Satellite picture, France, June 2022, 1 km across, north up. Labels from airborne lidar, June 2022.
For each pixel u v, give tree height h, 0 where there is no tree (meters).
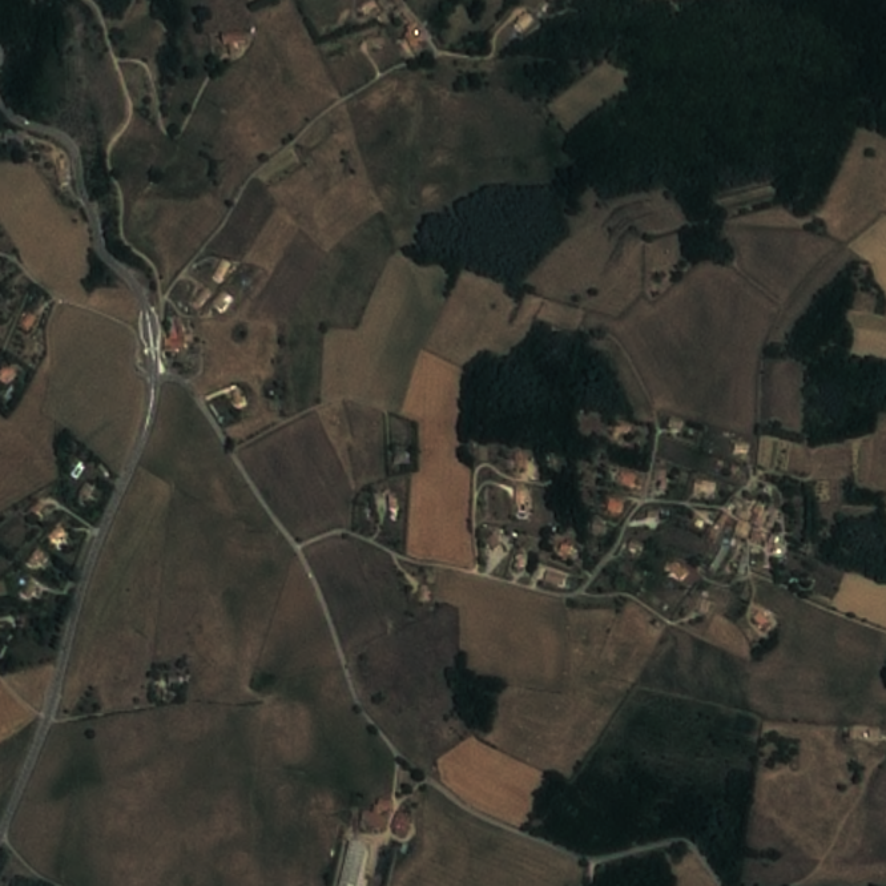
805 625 0
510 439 9
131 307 0
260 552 0
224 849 0
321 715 0
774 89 16
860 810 0
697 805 9
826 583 0
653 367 0
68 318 0
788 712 0
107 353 0
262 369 0
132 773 0
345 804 0
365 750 0
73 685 0
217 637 0
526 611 0
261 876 0
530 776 0
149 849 0
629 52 8
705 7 13
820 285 0
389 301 0
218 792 0
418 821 0
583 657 0
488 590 0
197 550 0
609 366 11
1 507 0
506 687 9
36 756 0
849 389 10
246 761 0
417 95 0
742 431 0
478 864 0
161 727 0
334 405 0
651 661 0
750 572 0
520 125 0
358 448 0
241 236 0
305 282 0
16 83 19
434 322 0
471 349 0
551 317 0
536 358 8
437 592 0
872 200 0
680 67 7
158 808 0
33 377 11
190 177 0
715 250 11
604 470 7
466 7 0
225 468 0
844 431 8
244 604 0
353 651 0
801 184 7
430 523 0
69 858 0
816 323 9
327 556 0
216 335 0
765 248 0
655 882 8
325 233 0
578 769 8
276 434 0
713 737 10
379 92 0
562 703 0
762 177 11
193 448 0
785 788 0
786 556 0
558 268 0
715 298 0
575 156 9
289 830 0
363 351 0
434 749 0
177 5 16
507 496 0
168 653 0
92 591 0
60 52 8
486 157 0
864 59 15
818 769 0
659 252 0
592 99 0
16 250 8
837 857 0
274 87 0
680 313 0
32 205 0
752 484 0
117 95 0
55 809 0
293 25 0
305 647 0
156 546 0
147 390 0
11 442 0
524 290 9
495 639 0
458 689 8
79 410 0
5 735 0
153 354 0
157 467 0
